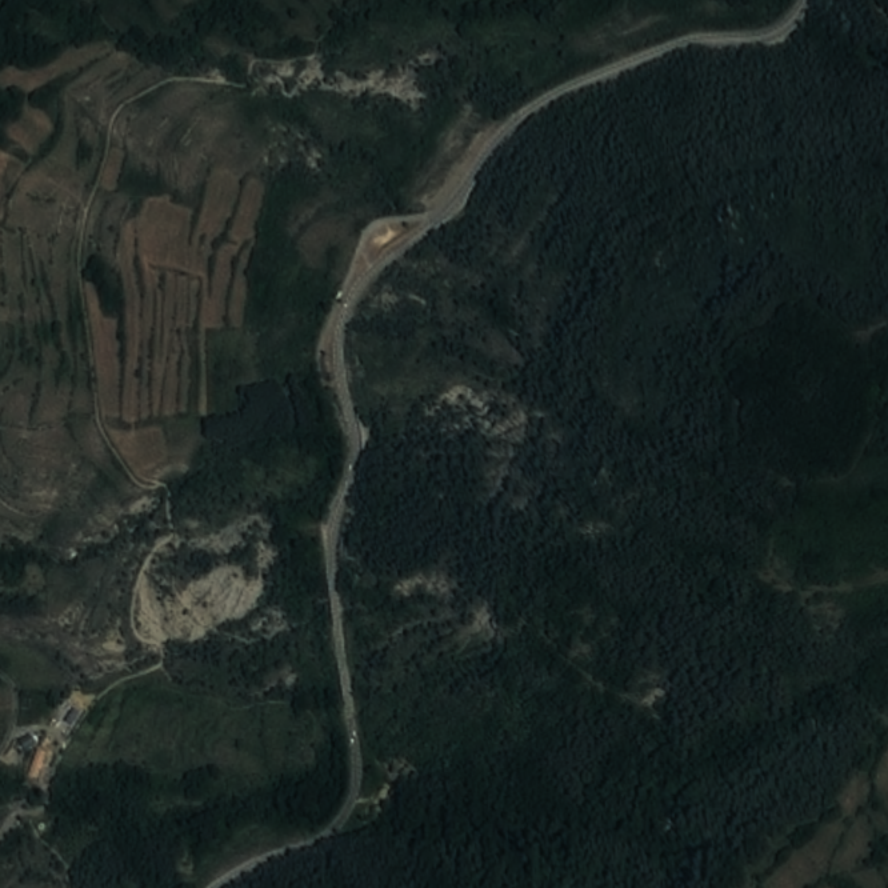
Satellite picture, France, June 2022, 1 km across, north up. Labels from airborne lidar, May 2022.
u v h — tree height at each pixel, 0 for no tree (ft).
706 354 46
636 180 36
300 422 58
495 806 67
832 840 0
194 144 0
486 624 0
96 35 28
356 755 0
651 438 52
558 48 25
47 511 0
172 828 45
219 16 31
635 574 61
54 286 0
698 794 18
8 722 0
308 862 48
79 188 0
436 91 27
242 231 0
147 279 0
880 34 85
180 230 0
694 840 24
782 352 40
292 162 26
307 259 0
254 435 31
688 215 36
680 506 67
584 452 46
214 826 39
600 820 91
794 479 24
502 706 25
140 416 0
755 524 44
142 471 0
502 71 27
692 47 43
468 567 21
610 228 43
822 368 35
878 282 35
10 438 0
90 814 50
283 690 43
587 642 33
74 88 0
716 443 41
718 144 33
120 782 31
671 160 52
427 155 0
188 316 0
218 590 0
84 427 0
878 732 27
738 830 25
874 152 52
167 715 0
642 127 39
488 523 26
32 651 0
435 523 33
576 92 42
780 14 20
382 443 34
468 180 0
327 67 19
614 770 55
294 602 19
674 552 52
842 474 20
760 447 46
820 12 62
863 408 37
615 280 39
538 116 43
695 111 54
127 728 0
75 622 0
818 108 43
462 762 30
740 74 41
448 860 68
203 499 21
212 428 48
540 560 25
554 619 50
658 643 71
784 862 25
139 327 0
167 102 0
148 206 0
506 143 26
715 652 69
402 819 65
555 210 35
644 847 55
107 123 0
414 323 23
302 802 85
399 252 0
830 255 23
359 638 26
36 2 30
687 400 27
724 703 84
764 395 54
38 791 22
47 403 0
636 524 51
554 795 52
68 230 0
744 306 48
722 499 36
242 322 0
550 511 26
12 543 23
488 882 50
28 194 0
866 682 65
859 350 34
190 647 22
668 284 18
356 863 60
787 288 30
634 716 33
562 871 44
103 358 0
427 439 52
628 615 52
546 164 35
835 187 51
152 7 22
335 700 60
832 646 18
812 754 60
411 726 27
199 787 23
